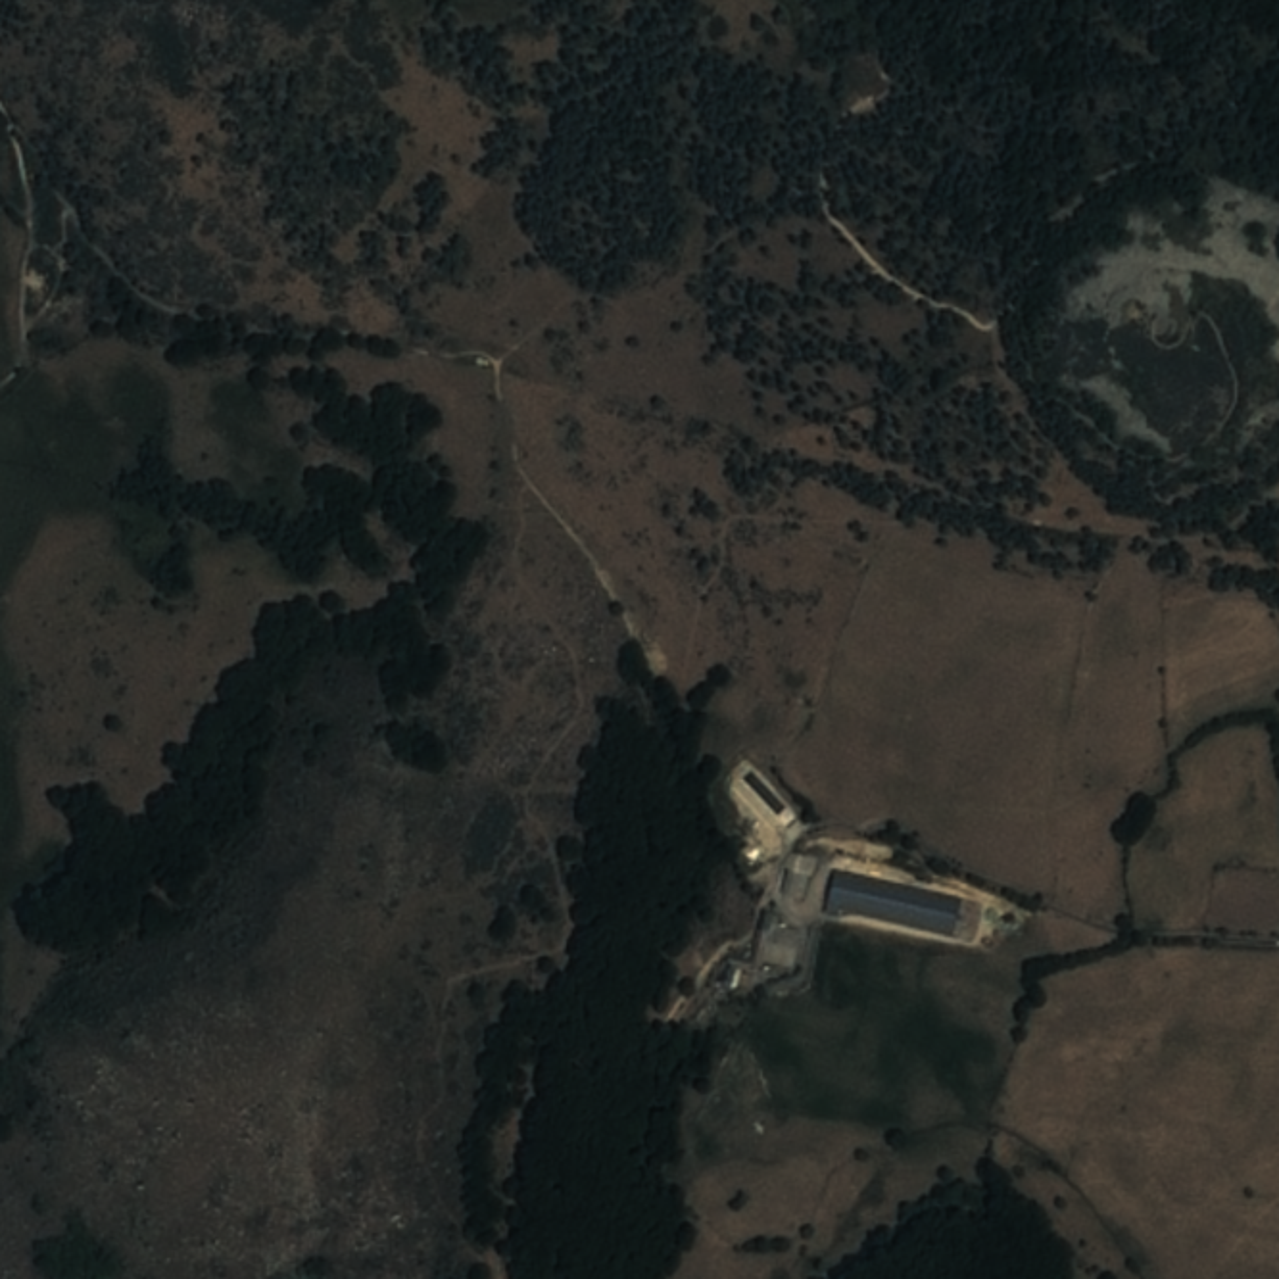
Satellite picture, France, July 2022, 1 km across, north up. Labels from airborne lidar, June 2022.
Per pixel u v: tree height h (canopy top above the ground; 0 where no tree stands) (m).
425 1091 0
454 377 0
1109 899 0
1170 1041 0
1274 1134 0
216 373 0
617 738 16
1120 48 10
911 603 0
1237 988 0
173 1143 0
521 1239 19
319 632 11
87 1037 0
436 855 0
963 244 14
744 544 0
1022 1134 0
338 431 11
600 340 0
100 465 0
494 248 0
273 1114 0
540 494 0
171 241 0
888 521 0
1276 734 12
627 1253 24
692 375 0
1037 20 11
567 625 0
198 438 0
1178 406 0
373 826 0
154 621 0
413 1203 0
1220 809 0
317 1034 0
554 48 0
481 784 0
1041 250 9
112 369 0
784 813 0
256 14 0
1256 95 13
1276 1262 0
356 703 0
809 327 9
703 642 0
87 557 0
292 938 0
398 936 0
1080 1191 0
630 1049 17
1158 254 0
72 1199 0
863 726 0
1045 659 0
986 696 0
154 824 17
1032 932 0
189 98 0
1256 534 13
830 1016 0
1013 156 13
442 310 0
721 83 15
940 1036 0
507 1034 16
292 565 12
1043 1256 30
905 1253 20
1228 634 0
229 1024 0
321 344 11
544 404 0
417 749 9
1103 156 0
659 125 10
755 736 0
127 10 0
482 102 0
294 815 0
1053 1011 0
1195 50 13
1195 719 0
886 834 10
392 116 9
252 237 0
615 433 0
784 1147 0
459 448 0
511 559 0
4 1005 0
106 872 17
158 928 10
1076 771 0
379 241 13
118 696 0
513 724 0
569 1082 25
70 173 7
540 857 0
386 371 0
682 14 15
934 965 0
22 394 0
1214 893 0
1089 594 7
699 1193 0
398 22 0
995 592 0
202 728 15
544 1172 22
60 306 0
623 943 20
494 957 0
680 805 23
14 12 6
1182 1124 0
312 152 10
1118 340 0
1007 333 8
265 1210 0
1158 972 0
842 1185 0
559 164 17
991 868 0
